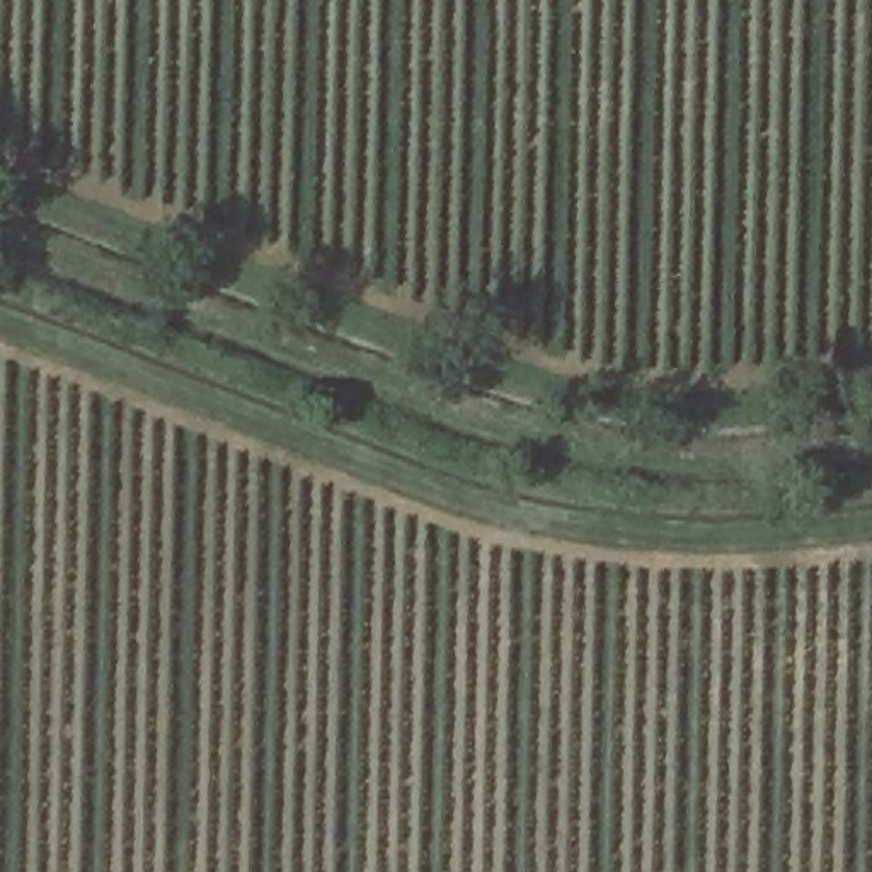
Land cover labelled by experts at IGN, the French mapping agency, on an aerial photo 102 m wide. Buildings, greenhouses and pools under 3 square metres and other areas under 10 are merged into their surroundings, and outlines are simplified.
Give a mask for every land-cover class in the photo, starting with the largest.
<instances>
[{"label":"vineyard","instance_id":"1","mask_svg":"<svg viewBox=\"0 0 872 872\"><path fill-rule=\"evenodd\" d=\"M0 82H10V95H31V133L72 129V184L85 174L112 177L123 184V194L129 198H160L164 221H170L181 215L204 218L208 201L242 194L249 208H262V245L252 252V259L259 266H283L293 252L303 262L313 249V211L317 201H324V242H344V249L364 255L368 286L388 293L405 283L412 286V300L422 293L436 300L422 320H412L409 371L419 378L436 375V358L460 351L470 341V330H463V324L456 320V296L460 276H470V290H480L484 208H491V266H501V255L531 252V276H538L542 269L552 273L555 283L569 273L576 276L572 330L565 324H555L545 351L565 354V334H572V354H593L603 364L596 375H572V378L586 388H610L620 399L651 395L654 405L671 412L678 405V395L691 392L698 382H705L709 388H726V371L736 364H760V378L749 388L763 395L773 388H797L818 375L828 378L835 388L845 392L858 388L855 375H845L835 361L838 330L852 327L855 344H872V0H0ZM0 872H872V542L797 548L705 555L600 548L552 538H535L487 525L409 501L378 484L347 477L344 470L310 463L283 446L259 443L255 436L235 433L232 426L215 422L208 416L157 402L119 382L92 378L82 368L0 341Z\"/></svg>","mask_w":872,"mask_h":872},{"label":"deciduous trees","instance_id":"2","mask_svg":"<svg viewBox=\"0 0 872 872\"><path fill-rule=\"evenodd\" d=\"M37 221L48 225L44 238L51 273L143 303L136 317L116 313L99 300L58 290L34 276L24 283V290L14 293V262L0 252V341L82 368L92 378L119 382L157 402L208 416L215 422L232 426L235 433L255 436L259 443L283 446L310 463L344 470L347 477L378 484L409 501L487 525L501 514L508 501L555 511L569 508V521H548L552 538L600 548L705 555L797 548L794 538H753L749 528L756 521V511L749 504V473L763 463L760 439L790 436L800 443V450L821 446L824 416L818 402L821 382L828 378L818 375L797 388H773L763 395L749 388H732L736 402L722 409L719 419L705 426L698 443H691L688 450L674 443L681 422L671 412L654 405L651 395L620 399L610 412L589 402L576 412V422H565L562 392L572 378V375H555L514 358L497 371L501 385L487 388V395L450 402L436 385V375L419 378L409 371L412 320L375 310L364 300H358L344 303L337 320V337L351 341L347 351H334L330 344L296 337L300 303L283 300L279 290L300 279L303 262L293 252L283 266H259L252 259L242 262L235 283L221 286L211 300H204L201 279L208 262L184 245H174L170 221H164L129 218L75 191H65L37 208ZM174 310H187V320L194 327L259 347L273 361H286L313 375L361 378L375 388V395L358 422H330L327 395L259 361L225 354L211 344L170 330L167 320ZM525 436L562 439L565 467L555 480L531 484L525 456L497 453V439L518 443ZM858 388L845 392L841 402L848 446L858 453L872 450V378L865 371L855 375Z\"/></svg>","mask_w":872,"mask_h":872},{"label":"herbaceous vegetation","instance_id":"3","mask_svg":"<svg viewBox=\"0 0 872 872\"><path fill-rule=\"evenodd\" d=\"M72 129L31 133V95H10V82H0V252L14 262V293L24 290V283L34 276L58 290L99 300L116 313L136 317L143 303L51 273L44 238L48 225L37 221V208L65 191H75L129 218L164 221L160 198H129L123 194V184L112 177L85 174L72 184ZM174 245H184L208 262L201 279L204 300H211L221 286L235 283L242 262L252 259V252L262 245V208H249L242 194L208 201L204 218L181 215L170 221ZM324 201H317L313 211V249L303 262L300 279L279 290L283 300L300 303L296 337L330 344L334 351H347L351 341L337 337V320L344 303L358 300H364L375 310L412 320H422L436 300L422 293L412 300V286L405 283L388 293L368 286L364 255L344 249V242H324ZM576 276L569 273L555 283L552 273L542 269L538 276H531V252L501 255V266H491V208H484L480 290H470V276H460L456 296V320L463 324V330H470V341L460 351L436 358V385L450 402L487 395V388L501 385L497 371L514 358L555 375H596L603 364L593 354H572V334H565V354L545 351L555 324H565L572 330ZM170 330L211 344L225 354L259 361L327 395L330 422H358L375 395V388L361 378L313 375L286 361H273L259 347L194 327L187 320V310H174L167 320ZM835 361L845 375H855L865 371L872 378V344H855L852 327L838 330ZM760 378V364H736L726 371V388H709L705 382H698L691 392L678 395V405L671 412L681 422L674 443L688 450L691 443H698L705 426L719 419L722 409L736 402L732 388H749ZM589 402L610 412L620 399L610 388H586L572 378L562 392L565 422H576V412ZM845 392L835 388L828 378L821 382L818 402L824 416L821 446L800 450V443L790 436L760 439L763 463L749 473V504L756 511V521L749 528L753 538H794L797 548L872 542V450L858 453L848 446L841 402ZM497 453L525 456L531 484L555 480L565 467L562 439L525 436L518 443L497 439ZM548 521H569V508L555 511L508 501L501 514L487 525L535 538H552Z\"/></svg>","mask_w":872,"mask_h":872}]
</instances>
